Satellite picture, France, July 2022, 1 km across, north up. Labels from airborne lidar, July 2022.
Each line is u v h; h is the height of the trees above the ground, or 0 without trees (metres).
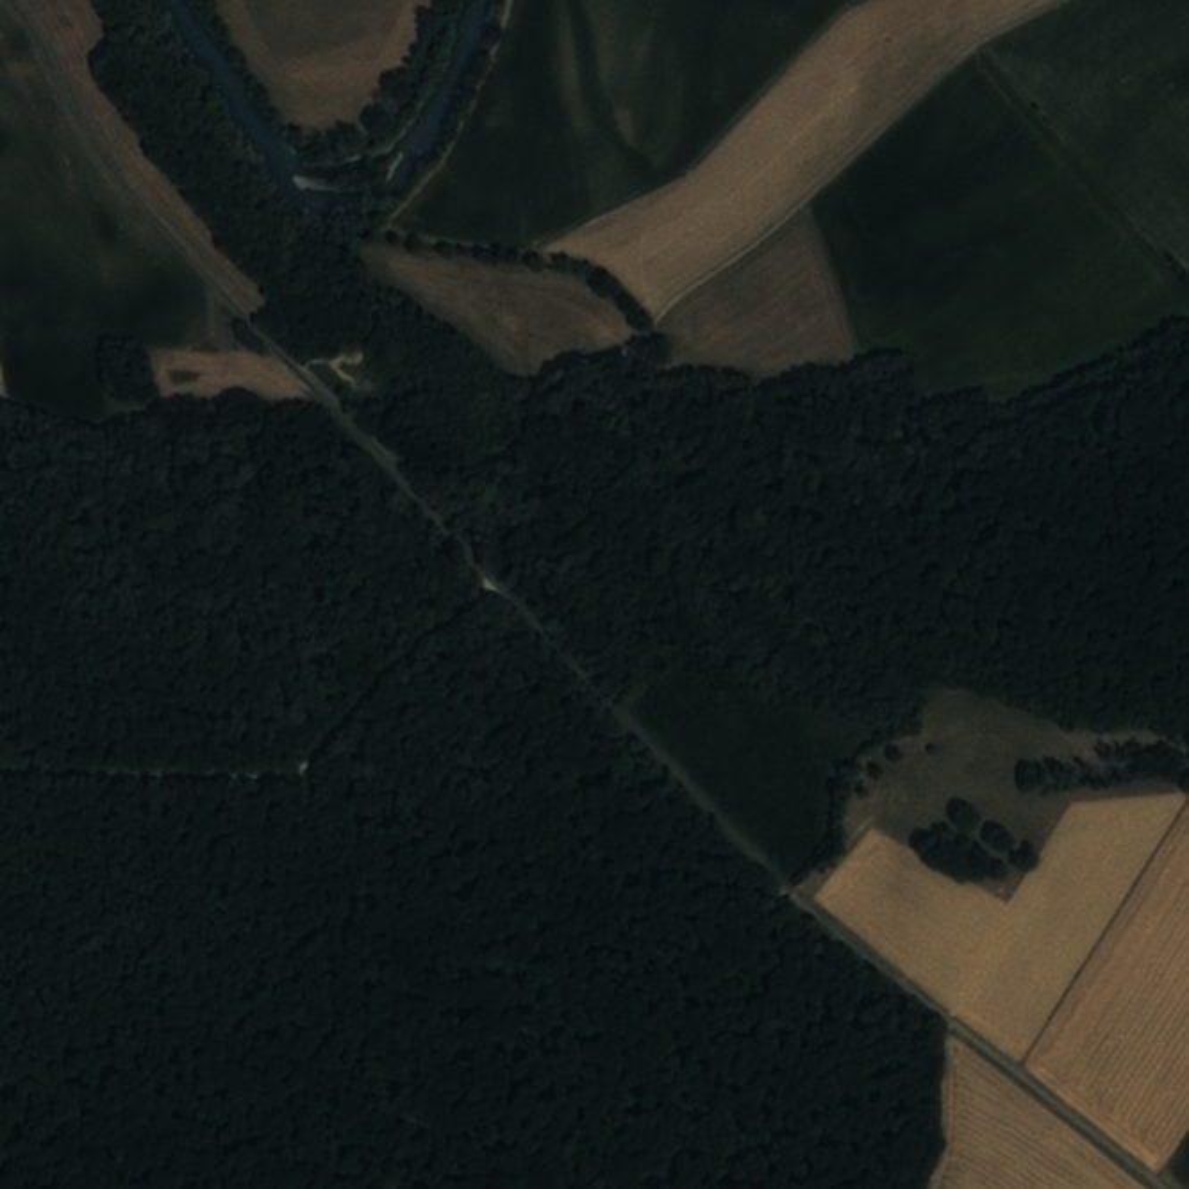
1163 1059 0
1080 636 28
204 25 6
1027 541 30
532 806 25
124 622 23
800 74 0
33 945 23
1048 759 0
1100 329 0
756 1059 26
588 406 26
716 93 0
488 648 22
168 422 20
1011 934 0
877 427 27
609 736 23
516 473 22
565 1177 26
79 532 28
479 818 23
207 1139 26
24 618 25
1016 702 25
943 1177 0
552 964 25
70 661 18
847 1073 26
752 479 22
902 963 0
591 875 28
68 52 0
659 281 0
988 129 0
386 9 0
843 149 0
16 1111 25
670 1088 24
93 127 0
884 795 0
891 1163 25
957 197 0
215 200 20
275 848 21
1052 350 0
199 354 0
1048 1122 0
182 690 24
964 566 26
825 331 0
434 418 21
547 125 0
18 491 25
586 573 17
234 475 30
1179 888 0
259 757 23
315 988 26
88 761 24
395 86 21
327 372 0
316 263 24
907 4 0
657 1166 26
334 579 26
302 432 21
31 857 22
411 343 21
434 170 11
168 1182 27
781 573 21
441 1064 27
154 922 22
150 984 18
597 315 0
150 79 23
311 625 26
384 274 0
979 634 26
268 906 25
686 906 28
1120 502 31
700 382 20
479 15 0
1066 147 0
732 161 0
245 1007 29
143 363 16
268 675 26
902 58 0
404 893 23
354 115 0
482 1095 23
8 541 26
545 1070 29
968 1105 0
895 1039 29
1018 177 0
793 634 26
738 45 0
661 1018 29
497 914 25
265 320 17
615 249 0
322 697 22
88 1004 30
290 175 0
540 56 0
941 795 0
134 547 23
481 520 25
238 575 28
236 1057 20
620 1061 29
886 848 0
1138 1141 0
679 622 16
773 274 0
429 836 21
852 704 25
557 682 27
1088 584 27
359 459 23
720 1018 26
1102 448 30
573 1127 24
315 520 28
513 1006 24
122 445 24
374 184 11
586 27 0
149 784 20
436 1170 29
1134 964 0
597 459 27
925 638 27
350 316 21
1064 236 0
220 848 28
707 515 23
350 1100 27
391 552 30
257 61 0
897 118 0
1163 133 0
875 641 24
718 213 0
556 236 0
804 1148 26
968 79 0
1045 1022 0
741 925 27
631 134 0
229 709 24
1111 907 0
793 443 23
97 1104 27
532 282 0
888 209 0
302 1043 28
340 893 22
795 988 22
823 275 0
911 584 29
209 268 0
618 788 22
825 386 20
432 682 22
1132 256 0
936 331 0
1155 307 0
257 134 0
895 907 0
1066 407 28
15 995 24
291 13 0
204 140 27
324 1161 25
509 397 23
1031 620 26
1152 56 0
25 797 22
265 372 0
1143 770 13
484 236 0
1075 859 0
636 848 24
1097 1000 0
